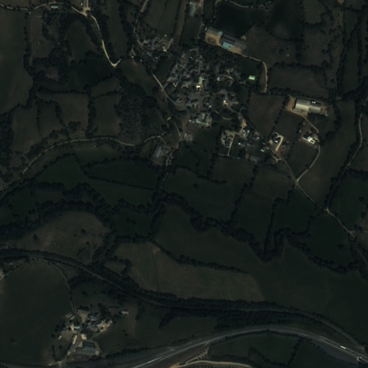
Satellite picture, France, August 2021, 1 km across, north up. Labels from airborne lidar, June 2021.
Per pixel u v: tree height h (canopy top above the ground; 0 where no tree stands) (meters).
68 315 0
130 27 13
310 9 0
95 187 0
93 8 7
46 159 0
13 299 0
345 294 0
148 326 0
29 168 7
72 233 0
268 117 0
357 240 7
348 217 0
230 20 0
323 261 16
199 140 0
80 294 0
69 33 0
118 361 0
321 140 11
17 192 12
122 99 8
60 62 12
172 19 0
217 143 11
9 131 8
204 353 0
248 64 0
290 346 0
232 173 0
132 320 0
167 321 8
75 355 0
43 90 14
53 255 9
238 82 12
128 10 0
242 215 0
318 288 0
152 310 0
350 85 0
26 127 0
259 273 0
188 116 0
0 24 0
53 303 0
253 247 25
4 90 0
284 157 0
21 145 0
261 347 0
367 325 0
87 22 11
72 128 12
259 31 0
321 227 0
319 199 0
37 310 0
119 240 16
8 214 0
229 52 9
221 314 11
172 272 0
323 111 0
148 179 0
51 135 9
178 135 0
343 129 0
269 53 0
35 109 0
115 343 0
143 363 0
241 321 10
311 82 0
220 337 0
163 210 14
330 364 0
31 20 0
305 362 0
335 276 0
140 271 0
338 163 0
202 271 0
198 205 0
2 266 16
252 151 0
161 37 0
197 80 6
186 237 0
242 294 0
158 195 17
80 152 0
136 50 9
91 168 12
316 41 0
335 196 14
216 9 9
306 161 0
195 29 0
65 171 0
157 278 0
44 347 0
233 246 0
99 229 0
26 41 10
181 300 14
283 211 0
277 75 0
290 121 0
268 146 8
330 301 0
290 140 0
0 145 9
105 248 12
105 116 0
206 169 0
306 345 0
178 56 7
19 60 0
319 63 0
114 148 9
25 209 0
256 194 0
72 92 10
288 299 0
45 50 0
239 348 0
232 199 0
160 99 0
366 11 17
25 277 0
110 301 0
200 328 0
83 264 7
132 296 12
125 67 0
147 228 0
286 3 0
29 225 9
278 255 27
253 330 0
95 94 0
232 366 0
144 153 0
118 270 0
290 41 12
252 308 6
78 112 0
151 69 8
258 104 0
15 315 0
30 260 13
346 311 0
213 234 0
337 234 0
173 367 0
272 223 11
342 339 0
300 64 12
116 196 0
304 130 0
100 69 0
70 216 0
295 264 0
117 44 0
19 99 0
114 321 6
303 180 0
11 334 0
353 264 12
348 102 12
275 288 0
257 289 0
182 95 0
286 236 14
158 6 0
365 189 0
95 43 11
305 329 0
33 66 7
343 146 0
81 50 0
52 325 0
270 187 0
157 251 0
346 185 0
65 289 0
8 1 0
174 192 0
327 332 0
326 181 0
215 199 0
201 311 9
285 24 0
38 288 0
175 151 9
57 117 9
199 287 0
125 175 0
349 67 0
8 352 0
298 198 0
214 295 0
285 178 0
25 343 0
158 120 0
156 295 14
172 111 11
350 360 0
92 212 8
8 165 9
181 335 0
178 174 0
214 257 0
